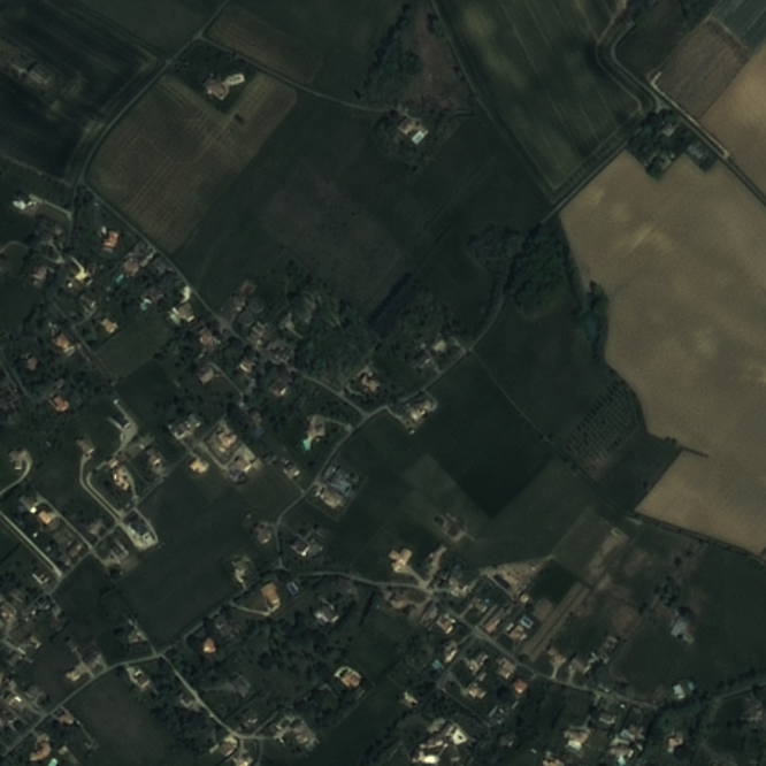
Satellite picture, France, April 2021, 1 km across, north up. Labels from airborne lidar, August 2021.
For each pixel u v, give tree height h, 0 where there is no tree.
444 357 7
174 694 18
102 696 0
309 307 15
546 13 0
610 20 0
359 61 0
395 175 0
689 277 0
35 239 10
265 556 0
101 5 0
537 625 0
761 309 0
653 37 0
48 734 6
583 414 0
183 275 0
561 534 0
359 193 0
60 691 0
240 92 0
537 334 0
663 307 0
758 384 0
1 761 9
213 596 0
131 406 0
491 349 0
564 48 0
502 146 0
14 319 0
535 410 0
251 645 13
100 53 0
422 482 0
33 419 7
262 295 0
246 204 0
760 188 0
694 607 0
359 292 0
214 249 0
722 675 0
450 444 0
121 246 7
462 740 0
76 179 0
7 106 0
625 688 12
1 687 0
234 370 13
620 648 11
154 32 0
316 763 0
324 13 0
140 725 0
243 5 0
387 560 0
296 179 0
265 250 0
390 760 0
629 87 0
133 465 0
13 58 6
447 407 0
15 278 0
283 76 0
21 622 7
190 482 0
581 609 0
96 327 8
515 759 0
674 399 0
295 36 0
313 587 6
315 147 0
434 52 0
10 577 9
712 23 0
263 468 0
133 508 0
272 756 0
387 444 0
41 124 0
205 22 0
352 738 0
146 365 0
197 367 9
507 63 0
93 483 0
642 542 0
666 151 8
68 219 0
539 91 0
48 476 0
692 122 0
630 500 0
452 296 0
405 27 13
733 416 0
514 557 0
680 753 11
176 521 0
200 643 15
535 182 0
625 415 20
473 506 0
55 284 17
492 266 12
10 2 0
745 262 0
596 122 0
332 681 11
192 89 0
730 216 0
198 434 0
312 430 0
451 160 0
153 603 0
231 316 0
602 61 0
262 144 0
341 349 15
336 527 0
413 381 0
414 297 15
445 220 0
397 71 18
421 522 0
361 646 0
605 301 10
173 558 0
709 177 0
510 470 0
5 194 0
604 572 0
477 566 0
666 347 0
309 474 0
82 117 0
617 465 0
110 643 0
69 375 16
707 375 0
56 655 0
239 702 14
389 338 18
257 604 0
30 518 10
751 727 9
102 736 0
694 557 11
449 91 0
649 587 0
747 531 0
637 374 0
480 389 0
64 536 0
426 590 0
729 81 0
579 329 0
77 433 0
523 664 12
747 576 0
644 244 0
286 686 0
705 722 17
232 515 0
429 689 11
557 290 21
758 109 0
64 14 0
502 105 0
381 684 0
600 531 0
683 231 0
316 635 10
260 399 11
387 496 0
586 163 0
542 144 0
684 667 0
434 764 0
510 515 0
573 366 0
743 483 0
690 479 0
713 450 0
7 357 6
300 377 10
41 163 0
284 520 0
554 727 8
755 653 0
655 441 0
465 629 9
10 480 0
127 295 10
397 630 0
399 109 13
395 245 0
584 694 0
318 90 0
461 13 0
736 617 0
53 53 0
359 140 0
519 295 16
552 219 0
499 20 0
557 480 0
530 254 17
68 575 0
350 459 0
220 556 0
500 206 0
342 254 0
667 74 0
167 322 0
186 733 14
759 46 0
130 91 0
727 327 0
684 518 0
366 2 0
